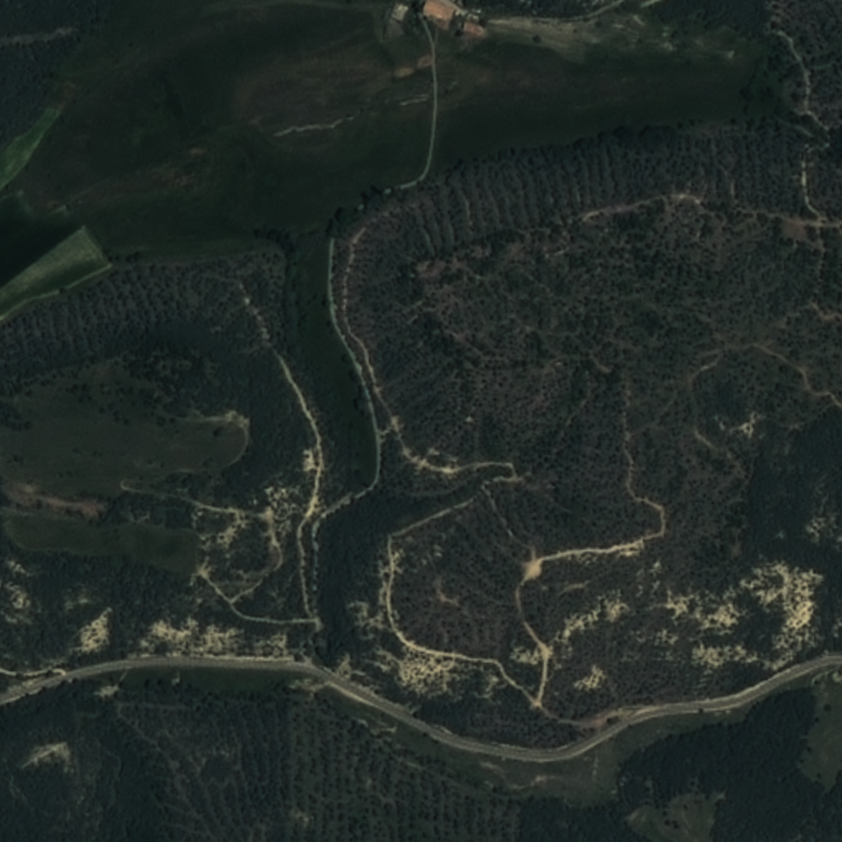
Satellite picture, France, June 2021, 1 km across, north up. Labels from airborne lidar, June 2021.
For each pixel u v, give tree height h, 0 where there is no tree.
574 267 9
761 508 8
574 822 10
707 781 9
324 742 8
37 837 9
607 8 0
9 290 0
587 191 9
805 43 10
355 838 9
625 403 7
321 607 12
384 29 0
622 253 10
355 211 11
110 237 0
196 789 7
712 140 12
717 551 8
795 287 6
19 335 7
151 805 12
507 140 0
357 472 12
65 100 0
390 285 7
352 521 10
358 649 6
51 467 0
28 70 10
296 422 6
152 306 9
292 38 0
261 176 0
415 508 9
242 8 0
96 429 0
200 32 0
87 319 6
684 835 0
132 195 0
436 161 0
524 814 10
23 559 8
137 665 0
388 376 7
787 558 7
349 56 0
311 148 0
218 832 6
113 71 0
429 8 0
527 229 6
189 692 12
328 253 0
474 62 0
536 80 0
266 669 0
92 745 7
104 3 11
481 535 6
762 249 6
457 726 6
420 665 0
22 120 10
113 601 8
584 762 0
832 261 9
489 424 9
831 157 15
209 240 0
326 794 8
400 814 10
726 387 6
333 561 12
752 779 9
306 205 0
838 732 0
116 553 0
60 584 8
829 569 9
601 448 8
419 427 7
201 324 10
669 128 13
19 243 0
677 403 10
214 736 6
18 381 7
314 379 9
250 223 0
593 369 8
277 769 10
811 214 9
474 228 7
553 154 13
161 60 0
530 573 0
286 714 11
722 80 0
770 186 8
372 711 0
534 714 10
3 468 0
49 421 0
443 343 7
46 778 7
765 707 12
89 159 0
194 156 0
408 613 7
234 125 0
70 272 0
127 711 7
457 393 9
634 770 10
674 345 8
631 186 7
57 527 0
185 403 8
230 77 0
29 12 10
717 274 9
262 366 8
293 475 6
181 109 0
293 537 7
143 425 0
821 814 8
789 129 15
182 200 0
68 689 15
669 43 0
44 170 0
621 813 8
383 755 9
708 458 6
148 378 8
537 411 8
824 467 6
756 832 7
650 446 6
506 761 0
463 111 0
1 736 9
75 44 12
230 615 6
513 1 7
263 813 9
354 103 0
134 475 0
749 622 6
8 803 7
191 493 8
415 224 8
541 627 5
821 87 13
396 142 0
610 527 9
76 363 5
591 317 8
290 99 0
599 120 0
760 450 6
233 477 9
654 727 0
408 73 0
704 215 7
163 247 0
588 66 0
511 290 7
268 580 8
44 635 7
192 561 0
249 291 7
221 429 7
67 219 0
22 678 6
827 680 0
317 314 0
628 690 8
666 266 5
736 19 7
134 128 0
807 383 0
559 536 7
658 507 0
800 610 0
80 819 7
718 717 0
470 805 10
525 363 10
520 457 8
